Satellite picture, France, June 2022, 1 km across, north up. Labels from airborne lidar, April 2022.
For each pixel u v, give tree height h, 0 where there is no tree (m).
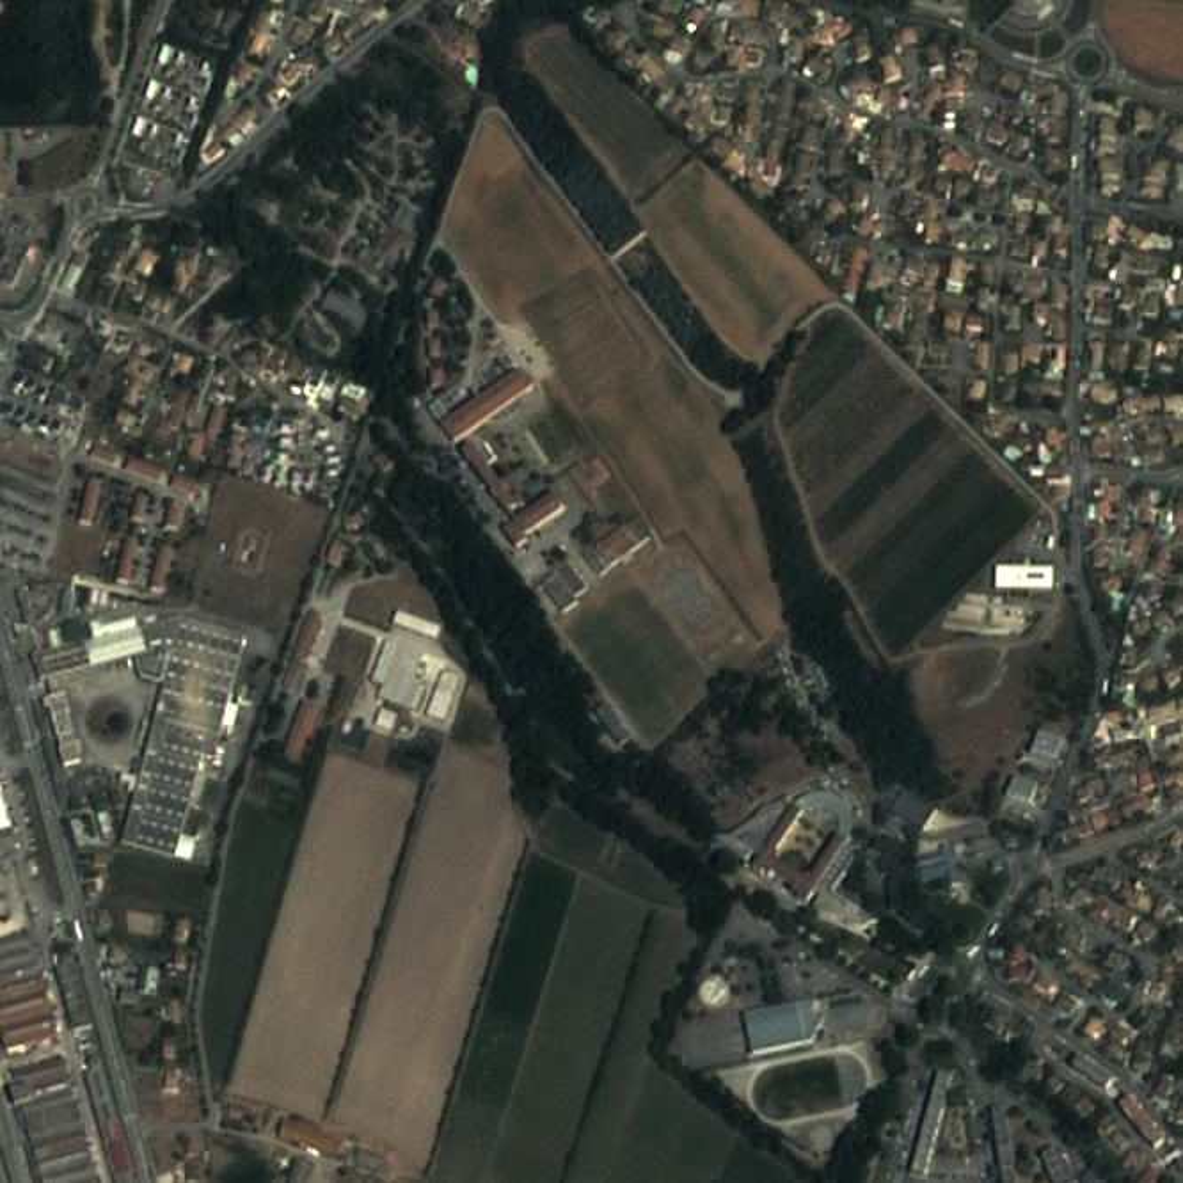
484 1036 0
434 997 0
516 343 0
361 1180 0
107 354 0
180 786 0
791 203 0
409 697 0
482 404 0
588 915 0
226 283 0
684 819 11
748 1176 0
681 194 0
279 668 10
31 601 0
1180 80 0
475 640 15
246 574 0
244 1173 0
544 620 11
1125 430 0
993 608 0
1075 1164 0
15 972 0
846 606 8
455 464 15
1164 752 0
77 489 6
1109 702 11
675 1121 0
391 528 8
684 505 0
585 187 9
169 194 0
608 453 0
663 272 7
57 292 0
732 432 10
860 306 8
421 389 12
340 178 14
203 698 0
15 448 0
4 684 0
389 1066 0
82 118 8
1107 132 0
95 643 0
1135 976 9
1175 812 0
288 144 10
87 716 0
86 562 0
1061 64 0
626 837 11
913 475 0
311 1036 0
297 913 0
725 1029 0
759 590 0
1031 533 0
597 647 0
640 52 9
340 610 0
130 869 0
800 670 8
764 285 0
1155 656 0
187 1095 0
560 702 20
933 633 0
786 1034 0
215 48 7
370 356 23
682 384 0
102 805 11
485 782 0
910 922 14
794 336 12
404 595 0
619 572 0
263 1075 0
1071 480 0
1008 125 6
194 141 8
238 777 8
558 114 6
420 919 0
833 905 0
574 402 0
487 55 7
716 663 0
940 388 7
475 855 0
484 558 19
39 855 0
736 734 11
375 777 0
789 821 0
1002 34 0
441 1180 0
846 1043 0
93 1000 0
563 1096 0
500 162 0
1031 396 10
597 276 0
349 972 0
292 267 10
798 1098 0
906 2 11
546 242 0
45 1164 0
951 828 0
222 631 0
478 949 0
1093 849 0
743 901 11
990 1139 10
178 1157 7
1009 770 0
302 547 0
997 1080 10
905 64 0
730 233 0
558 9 13
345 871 0
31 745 0
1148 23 0
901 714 7
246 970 0
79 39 12
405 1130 0
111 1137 0
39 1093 0
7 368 0
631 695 0
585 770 17
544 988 0
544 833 0
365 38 0
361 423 7
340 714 0
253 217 9
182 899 0
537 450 0
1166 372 0
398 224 0
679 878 16
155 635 0
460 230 0
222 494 0
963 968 0
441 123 6
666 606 0
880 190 0
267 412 7
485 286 0
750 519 0
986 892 11
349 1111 0
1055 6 0
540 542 0
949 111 0
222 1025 0
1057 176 9
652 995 0
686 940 0
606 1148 0
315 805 0
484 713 0
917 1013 0
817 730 12
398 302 13
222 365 9
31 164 9
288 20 0
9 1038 0
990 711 0
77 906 0
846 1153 18
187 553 0
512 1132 0
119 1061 0
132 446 8
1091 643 7
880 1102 28
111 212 0
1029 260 0
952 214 9
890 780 9
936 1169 0
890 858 11
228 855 0
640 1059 0
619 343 0
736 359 8
